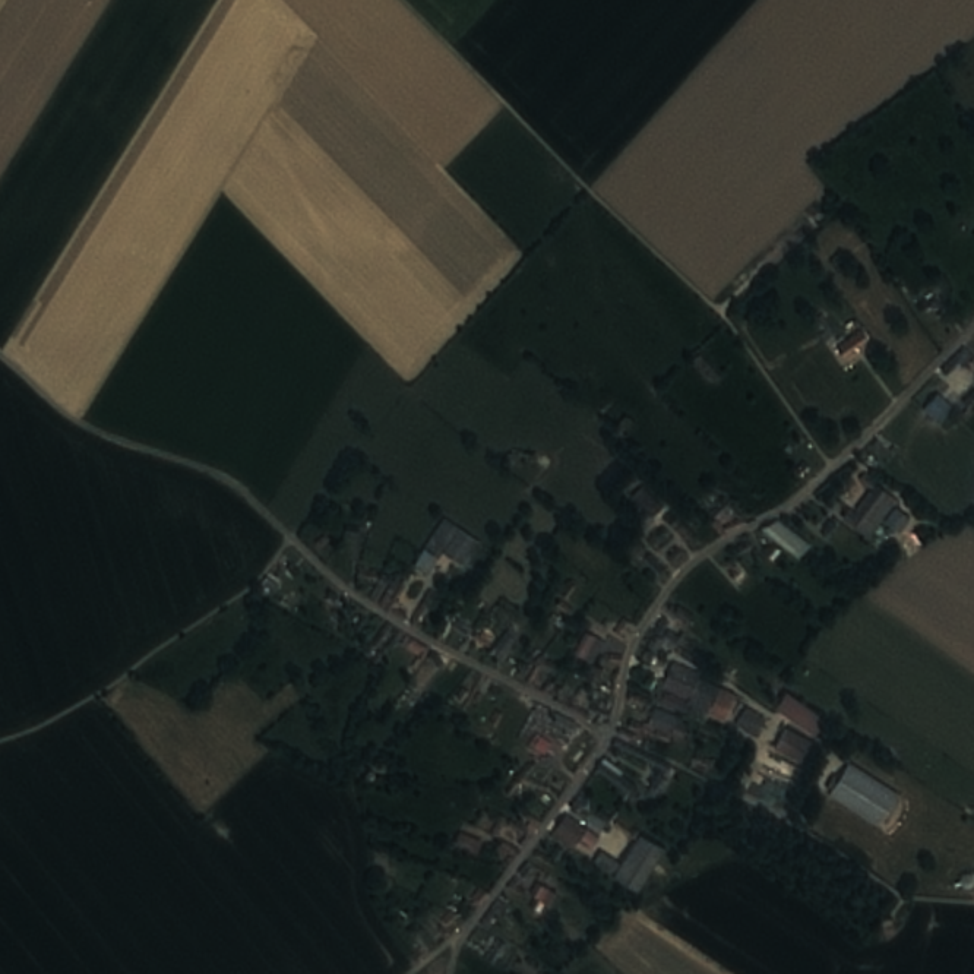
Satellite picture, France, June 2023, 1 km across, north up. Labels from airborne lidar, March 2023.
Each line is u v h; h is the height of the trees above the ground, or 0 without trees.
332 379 0
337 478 19
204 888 0
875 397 0
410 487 0
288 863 0
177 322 0
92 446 0
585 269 0
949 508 0
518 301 0
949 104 0
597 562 0
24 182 0
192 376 0
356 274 0
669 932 30
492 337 0
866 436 0
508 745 0
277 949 0
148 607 0
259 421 0
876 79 0
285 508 0
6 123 0
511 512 0
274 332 0
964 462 0
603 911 21
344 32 0
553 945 15
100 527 0
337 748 8
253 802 0
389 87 0
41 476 0
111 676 0
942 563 0
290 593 0
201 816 7
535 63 0
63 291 0
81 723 0
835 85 0
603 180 0
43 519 0
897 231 11
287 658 0
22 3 0
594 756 0
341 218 0
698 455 0
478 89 0
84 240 0
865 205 0
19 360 0
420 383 0
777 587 13
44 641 0
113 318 0
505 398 0
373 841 10
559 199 0
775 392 0
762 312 19
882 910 15
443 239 0
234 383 0
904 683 0
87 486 0
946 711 0
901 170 0
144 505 0
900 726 0
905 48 0
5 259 0
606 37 0
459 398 0
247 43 0
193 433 0
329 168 0
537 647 0
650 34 0
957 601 0
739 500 6
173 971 0
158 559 0
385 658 9
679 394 0
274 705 0
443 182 0
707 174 0
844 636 0
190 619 0
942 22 0
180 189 0
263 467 0
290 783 0
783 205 0
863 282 12
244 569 0
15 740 0
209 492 0
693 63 0
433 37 0
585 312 0
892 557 12
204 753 0
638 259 0
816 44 0
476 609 0
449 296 0
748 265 0
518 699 0
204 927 0
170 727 0
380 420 0
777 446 0
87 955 0
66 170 0
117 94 0
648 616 0
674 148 0
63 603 0
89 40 0
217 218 0
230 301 0
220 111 0
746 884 0
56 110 0
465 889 0
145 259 0
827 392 0
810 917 0
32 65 0
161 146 0
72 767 0
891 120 0
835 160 0
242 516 0
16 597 0
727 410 0
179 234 0
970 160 0
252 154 0
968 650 0
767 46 0
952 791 0
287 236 0
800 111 0
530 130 0
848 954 0
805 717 0
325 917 0
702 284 0
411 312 0
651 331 0
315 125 0
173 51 0
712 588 0
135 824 0
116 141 0
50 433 0
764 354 0
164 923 0
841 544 0
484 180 0
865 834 0
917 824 0
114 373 0
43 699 0
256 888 0
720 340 0
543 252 0
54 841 0
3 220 0
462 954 0
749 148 0
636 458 25
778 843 24
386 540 0
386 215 0
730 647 9
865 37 0
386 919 11
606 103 0
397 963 0
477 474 0
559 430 0
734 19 0
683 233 0
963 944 0
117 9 0
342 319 0
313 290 0
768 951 0
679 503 24
